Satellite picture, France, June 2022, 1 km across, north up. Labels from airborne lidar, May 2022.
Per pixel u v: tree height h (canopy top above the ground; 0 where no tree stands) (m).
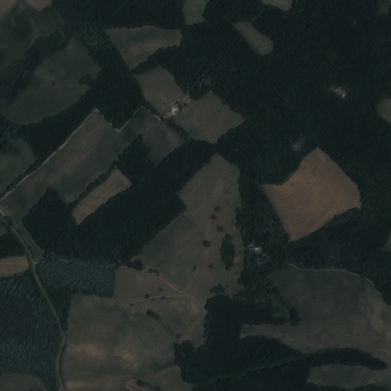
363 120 15
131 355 0
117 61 17
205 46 14
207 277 0
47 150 11
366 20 10
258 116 18
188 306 0
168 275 0
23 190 0
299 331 0
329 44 21
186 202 0
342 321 0
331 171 0
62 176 0
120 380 0
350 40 8
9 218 14
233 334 12
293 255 15
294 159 11
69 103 0
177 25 13
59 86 0
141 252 15
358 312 0
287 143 13
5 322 15
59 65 0
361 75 20
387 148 18
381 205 17
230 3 9
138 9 14
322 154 0
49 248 10
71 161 0
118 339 0
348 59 21
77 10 9
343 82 9
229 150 16
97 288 16
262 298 13
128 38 0
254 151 14
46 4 0
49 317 17
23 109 0
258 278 17
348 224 15
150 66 16
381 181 20
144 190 12
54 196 19
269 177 19
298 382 19
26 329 15
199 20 0
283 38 9
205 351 11
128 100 15
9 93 10
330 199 0
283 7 0
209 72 13
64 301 7
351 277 0
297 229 0
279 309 6
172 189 10
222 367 21
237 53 9
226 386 27
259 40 0
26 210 0
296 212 0
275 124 17
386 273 14
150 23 17
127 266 10
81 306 0
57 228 11
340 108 11
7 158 0
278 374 20
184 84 18
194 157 18
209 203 0
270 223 11
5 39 0
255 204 18
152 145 0
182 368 14
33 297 16
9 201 0
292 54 8
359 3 11
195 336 0
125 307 0
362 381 0
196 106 0
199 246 0
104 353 0
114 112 16
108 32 0
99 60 15
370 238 19
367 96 24
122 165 13
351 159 19
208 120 0
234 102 17
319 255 13
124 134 0
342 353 17
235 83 22
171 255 0
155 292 0
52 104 0
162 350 0
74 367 0
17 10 0
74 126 7
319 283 0
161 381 0
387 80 16
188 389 0
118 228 14
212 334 11
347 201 0
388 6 0
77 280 17
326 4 25
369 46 19
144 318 0
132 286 0
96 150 0
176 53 18
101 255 10
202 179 0
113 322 0
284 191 0
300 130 12
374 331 0
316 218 0
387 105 0
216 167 0
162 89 0
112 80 14
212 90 9
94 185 15
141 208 14
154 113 13
